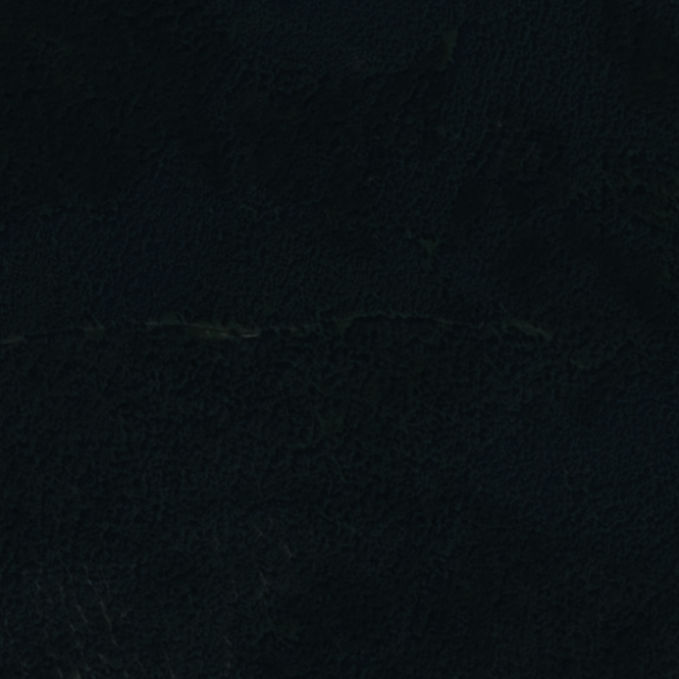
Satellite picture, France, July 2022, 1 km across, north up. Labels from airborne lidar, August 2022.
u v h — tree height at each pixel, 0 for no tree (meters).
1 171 18
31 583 28
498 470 26
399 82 25
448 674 19
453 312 7
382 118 26
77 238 24
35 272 11
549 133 25
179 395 22
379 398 7
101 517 28
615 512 28
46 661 21
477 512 23
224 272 12
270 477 26
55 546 14
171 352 7
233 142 28
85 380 26
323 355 26
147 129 20
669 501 27
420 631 21
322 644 22
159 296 27
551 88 29
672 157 22
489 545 24
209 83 17
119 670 22
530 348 16
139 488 21
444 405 21
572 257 34
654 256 27
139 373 22
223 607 25
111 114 22
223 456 22
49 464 19
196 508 21
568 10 29
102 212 6
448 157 24
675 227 8
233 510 21
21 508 19
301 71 34
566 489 26
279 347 14
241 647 23
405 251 26
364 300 12
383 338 21
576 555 21
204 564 24
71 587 23
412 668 13
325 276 6
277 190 29
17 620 22
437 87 30
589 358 20
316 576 21
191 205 26
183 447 17
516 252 22
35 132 27
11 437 21
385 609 23
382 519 27
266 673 23
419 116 27
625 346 16
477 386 13
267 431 22
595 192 32
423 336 19
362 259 10
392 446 18
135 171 24
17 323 10
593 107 31
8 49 21
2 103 25
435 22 38
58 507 24
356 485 25
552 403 21
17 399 22
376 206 27
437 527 23
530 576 23
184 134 25
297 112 27
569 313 20
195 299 21
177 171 26
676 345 19
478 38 28
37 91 21
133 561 12
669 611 14
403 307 11
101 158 24
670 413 23
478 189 30
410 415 14
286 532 22
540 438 30
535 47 30
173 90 22
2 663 19
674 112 23
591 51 22
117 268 22
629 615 25
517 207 25
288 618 24
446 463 15
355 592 25
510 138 24
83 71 16
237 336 23
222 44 22
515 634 21
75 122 25
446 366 15
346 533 12
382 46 33
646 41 27
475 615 21
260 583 25
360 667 28
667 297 28
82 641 22
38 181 21
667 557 26
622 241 26
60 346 21
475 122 30
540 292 21
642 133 28
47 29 26
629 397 26
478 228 29
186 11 20
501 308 24
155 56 23
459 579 25
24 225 23
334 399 8
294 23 28
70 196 22
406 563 24
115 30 25
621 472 28
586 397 23
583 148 32
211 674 26
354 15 27
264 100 21
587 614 20
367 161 23
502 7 25
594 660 11
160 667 20
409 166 30
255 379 12
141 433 23
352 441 20
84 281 16
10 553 12
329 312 10
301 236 12
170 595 25
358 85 28
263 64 31
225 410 24
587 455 30
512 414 25
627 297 30
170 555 22
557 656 16
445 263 21
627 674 19
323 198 20
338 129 27
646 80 23
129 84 19
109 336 19
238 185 25
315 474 19
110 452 14
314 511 20
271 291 12
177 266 24
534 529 27
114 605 19
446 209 31
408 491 14
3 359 21
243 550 23
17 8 24
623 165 28
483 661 18
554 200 27
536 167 12
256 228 22
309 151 24
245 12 28
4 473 14
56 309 9
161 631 17
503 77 30
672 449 23
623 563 26
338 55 26
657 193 23
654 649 23
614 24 26
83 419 20
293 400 14
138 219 24
